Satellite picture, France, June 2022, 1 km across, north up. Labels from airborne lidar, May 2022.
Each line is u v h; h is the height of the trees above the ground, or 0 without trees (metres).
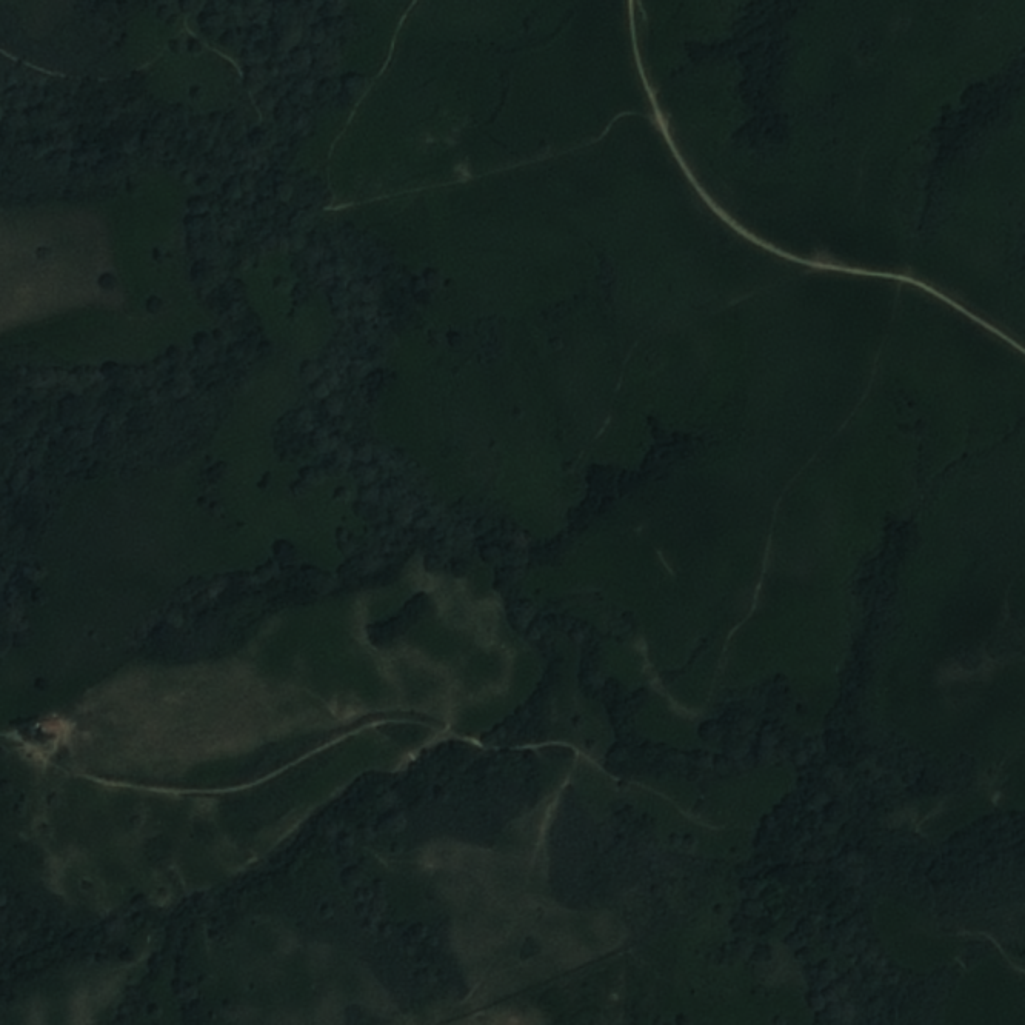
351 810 18
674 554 0
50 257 6
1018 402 0
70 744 0
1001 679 0
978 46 0
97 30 14
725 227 0
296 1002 0
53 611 0
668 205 0
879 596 13
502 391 0
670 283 0
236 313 17
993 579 0
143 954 0
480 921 0
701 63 9
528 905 0
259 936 0
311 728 0
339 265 20
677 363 0
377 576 15
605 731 0
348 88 18
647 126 0
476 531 18
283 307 0
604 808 0
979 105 16
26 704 0
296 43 7
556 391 0
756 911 17
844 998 7
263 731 0
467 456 0
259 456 0
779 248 0
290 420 7
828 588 0
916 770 6
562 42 0
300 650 0
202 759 0
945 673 0
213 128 7
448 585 0
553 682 10
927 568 0
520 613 17
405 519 18
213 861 0
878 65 0
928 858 10
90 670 0
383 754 0
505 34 0
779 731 14
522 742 7
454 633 0
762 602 0
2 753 9
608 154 0
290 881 6
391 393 0
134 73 7
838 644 0
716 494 0
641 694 10
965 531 0
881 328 0
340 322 6
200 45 18
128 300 0
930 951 0
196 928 10
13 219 0
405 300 9
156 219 0
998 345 0
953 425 0
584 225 0
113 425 13
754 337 0
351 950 0
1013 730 0
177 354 14
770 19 11
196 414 6
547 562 7
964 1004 0
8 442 18
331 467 20
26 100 13
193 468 0
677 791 0
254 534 0
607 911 0
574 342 0
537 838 0
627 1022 0
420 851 0
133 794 0
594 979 0
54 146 9
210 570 0
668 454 15
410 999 0
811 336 0
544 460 0
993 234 0
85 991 0
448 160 0
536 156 0
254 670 0
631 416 0
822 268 0
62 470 9
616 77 0
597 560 0
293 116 6
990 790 0
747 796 0
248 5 18
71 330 0
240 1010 0
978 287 0
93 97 10
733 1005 0
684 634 0
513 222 0
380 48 0
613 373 0
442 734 0
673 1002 0
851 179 0
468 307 0
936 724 0
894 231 0
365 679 0
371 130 0
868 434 0
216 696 0
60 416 19
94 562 0
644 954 0
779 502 0
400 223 0
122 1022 15
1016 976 0
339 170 0
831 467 0
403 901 0
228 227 19
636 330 0
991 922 0
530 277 0
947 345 0
